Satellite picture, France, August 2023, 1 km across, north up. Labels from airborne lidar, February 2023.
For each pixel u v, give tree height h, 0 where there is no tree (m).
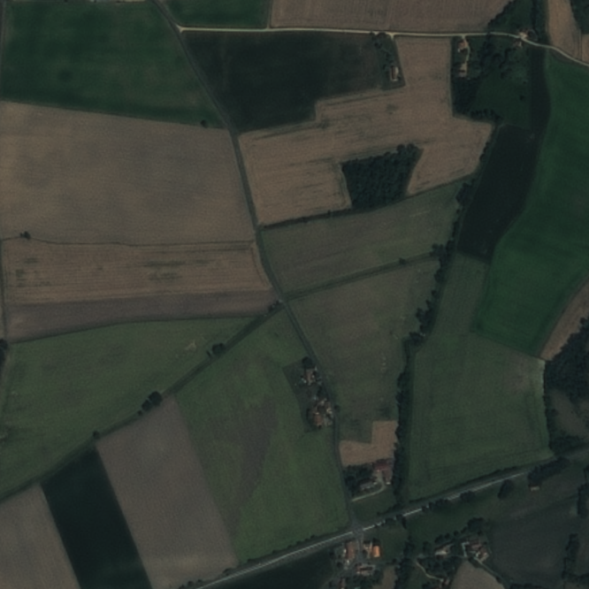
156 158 0
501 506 0
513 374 0
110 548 0
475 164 0
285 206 0
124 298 0
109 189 0
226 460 0
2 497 0
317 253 0
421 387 0
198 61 0
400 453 12
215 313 0
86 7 0
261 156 0
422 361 0
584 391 17
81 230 0
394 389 0
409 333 0
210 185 0
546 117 0
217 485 0
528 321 0
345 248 0
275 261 0
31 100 0
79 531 0
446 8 0
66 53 0
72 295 0
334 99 0
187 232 0
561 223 0
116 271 0
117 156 0
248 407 0
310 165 0
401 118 0
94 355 0
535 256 0
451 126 0
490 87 0
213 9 0
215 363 0
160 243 0
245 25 0
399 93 0
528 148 0
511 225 0
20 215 0
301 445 0
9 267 0
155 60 0
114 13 0
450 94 0
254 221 0
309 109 0
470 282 0
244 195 0
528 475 0
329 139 0
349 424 0
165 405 0
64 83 0
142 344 0
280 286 0
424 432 0
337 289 0
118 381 0
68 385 0
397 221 0
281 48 0
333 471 0
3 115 0
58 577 0
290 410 0
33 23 0
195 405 0
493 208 0
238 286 0
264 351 0
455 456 0
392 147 0
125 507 0
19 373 0
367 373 0
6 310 0
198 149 0
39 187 0
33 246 0
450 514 0
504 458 0
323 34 0
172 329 0
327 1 0
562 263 0
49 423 0
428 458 0
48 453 0
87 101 0
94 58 0
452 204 0
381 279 0
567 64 0
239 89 0
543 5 25
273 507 0
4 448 0
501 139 0
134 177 0
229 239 0
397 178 14
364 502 0
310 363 13
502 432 0
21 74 0
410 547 18
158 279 0
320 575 0
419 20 0
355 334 0
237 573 0
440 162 0
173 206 0
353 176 11
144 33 0
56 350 0
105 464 0
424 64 0
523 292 0
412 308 0
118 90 0
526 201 0
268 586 0
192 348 0
